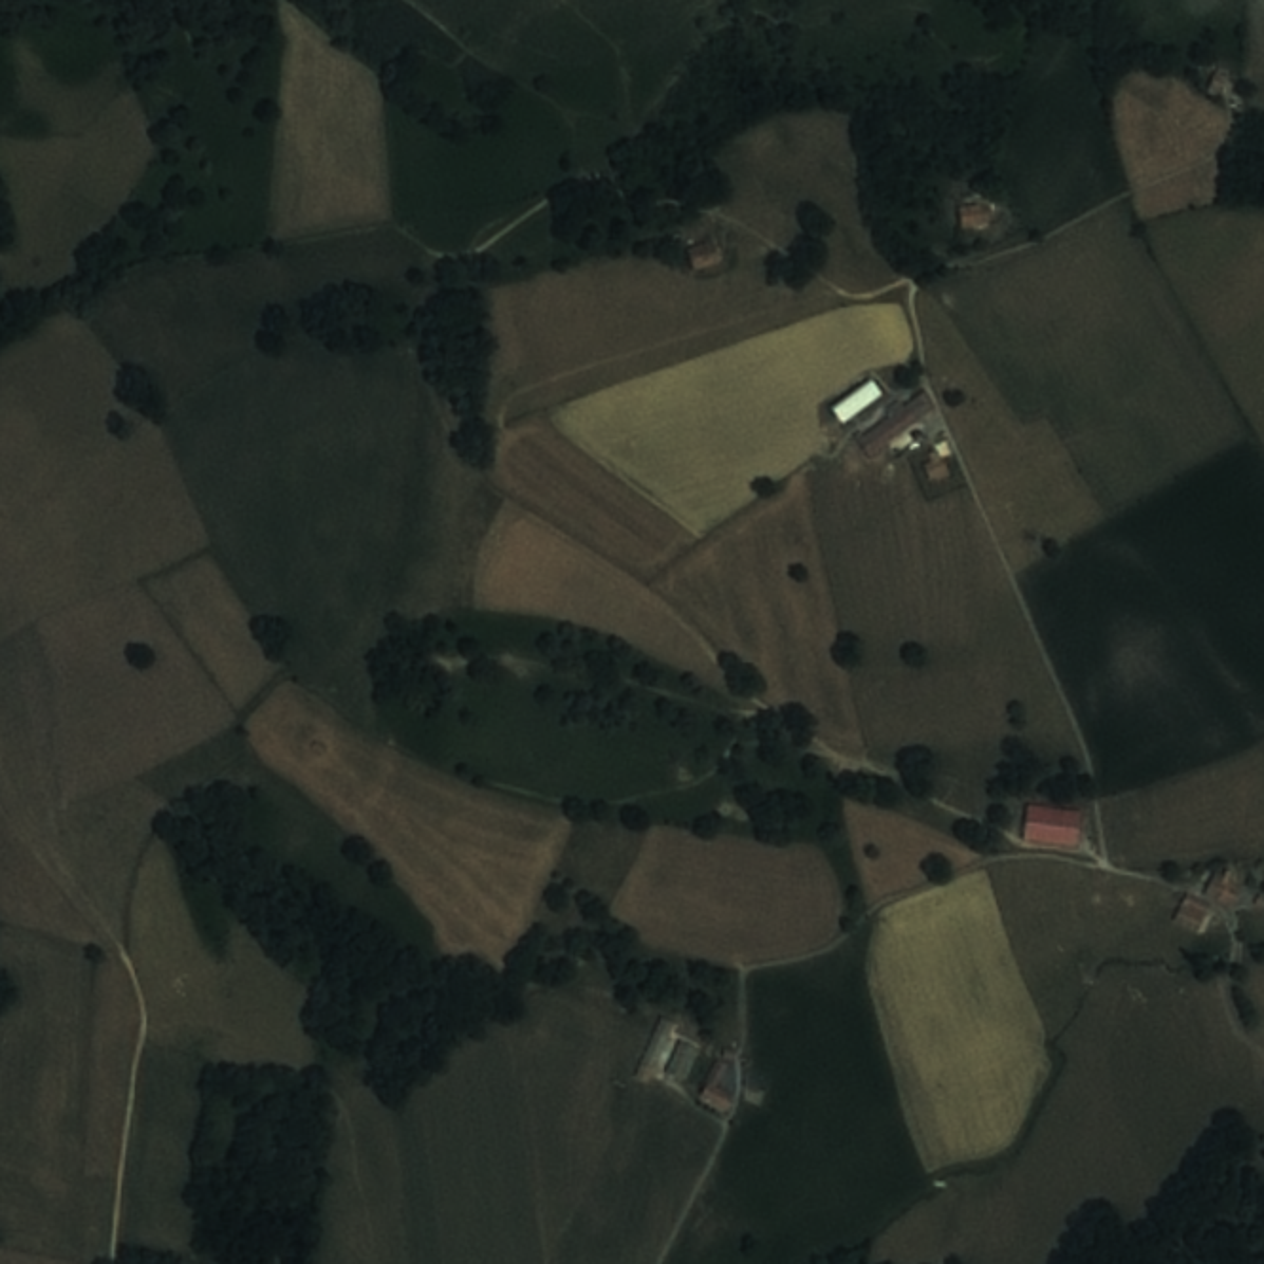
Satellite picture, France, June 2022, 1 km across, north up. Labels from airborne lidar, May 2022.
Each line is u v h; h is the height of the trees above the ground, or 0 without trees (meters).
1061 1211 0
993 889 0
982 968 0
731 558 0
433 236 0
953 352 0
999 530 0
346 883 0
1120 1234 23
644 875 0
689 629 0
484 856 0
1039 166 0
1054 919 0
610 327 0
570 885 9
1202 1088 0
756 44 6
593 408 0
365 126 0
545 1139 0
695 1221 0
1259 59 0
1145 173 0
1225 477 0
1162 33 0
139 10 21
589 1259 0
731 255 0
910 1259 0
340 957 26
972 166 14
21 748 0
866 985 0
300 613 0
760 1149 0
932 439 0
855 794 29
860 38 0
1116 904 0
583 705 17
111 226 6
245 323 0
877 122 15
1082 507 0
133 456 0
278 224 0
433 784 0
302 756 0
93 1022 0
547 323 0
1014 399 0
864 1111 0
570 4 0
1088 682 0
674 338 0
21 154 0
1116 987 0
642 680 14
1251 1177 17
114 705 0
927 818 0
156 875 0
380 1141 0
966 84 21
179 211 15
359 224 0
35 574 0
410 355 0
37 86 0
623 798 0
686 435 0
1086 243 0
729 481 0
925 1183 0
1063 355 0
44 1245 0
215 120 0
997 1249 0
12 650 0
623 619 0
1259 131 13
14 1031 0
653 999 13
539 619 0
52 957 0
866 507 0
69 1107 0
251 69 12
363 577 0
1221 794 0
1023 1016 0
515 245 0
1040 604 0
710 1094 0
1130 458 0
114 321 0
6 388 0
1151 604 0
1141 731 0
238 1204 20
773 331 0
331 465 0
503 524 0
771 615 0
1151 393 0
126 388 16
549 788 0
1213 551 0
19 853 0
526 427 0
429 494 0
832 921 0
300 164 0
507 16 0
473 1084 0
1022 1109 0
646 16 0
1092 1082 0
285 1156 27
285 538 0
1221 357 0
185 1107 0
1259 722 0
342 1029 20
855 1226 0
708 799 0
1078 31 23
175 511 0
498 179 0
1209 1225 18
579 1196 0
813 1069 0
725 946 0
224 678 0
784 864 0
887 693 0
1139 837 0
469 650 18
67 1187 0
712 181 17
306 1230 34
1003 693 0
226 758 0
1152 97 0
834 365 0
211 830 18
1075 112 0
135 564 0
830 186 0
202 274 0
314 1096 23
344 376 0
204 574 0
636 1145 0
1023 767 20
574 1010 0
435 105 8
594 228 12
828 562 0
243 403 0
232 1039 0
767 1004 0
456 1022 25
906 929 0
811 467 0
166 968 0
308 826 0
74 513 0
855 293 0
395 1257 0
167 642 0
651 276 0
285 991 0
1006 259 0
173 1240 0
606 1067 0
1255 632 0
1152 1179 0
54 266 0
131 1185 0
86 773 0
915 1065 0
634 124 0
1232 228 0
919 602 0
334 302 21
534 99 0
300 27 0
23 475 0
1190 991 0
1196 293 0
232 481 0
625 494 0
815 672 0
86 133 0
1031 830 0
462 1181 0
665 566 0
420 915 0
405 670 15
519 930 0
